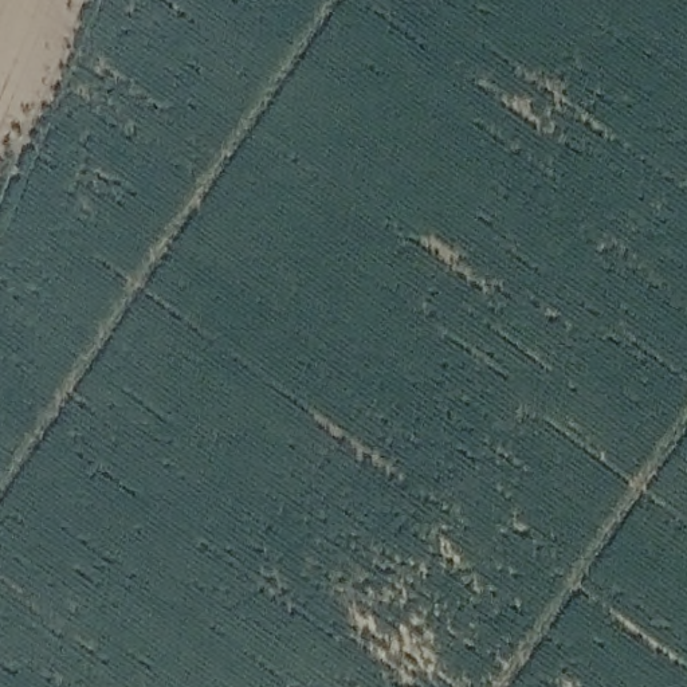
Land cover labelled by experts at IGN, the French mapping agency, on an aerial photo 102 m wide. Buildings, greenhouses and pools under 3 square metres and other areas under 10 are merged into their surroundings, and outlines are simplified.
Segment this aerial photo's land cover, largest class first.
<instances>
[{"label":"agricultural land","instance_id":"1","mask_svg":"<svg viewBox=\"0 0 687 687\"><path fill-rule=\"evenodd\" d=\"M70 54L64 62H59L54 99L40 105V115L32 121L30 129V142L16 153L11 148V140L3 137L0 153V687H687V0H83L78 27L67 48Z\"/></svg>","mask_w":687,"mask_h":687},{"label":"plowed land","instance_id":"2","mask_svg":"<svg viewBox=\"0 0 687 687\"><path fill-rule=\"evenodd\" d=\"M83 0H0V153L3 137L11 140V148L16 153L30 142V129L32 121L40 115V105L54 99L59 62H64L70 54L67 48L78 27Z\"/></svg>","mask_w":687,"mask_h":687}]
</instances>
